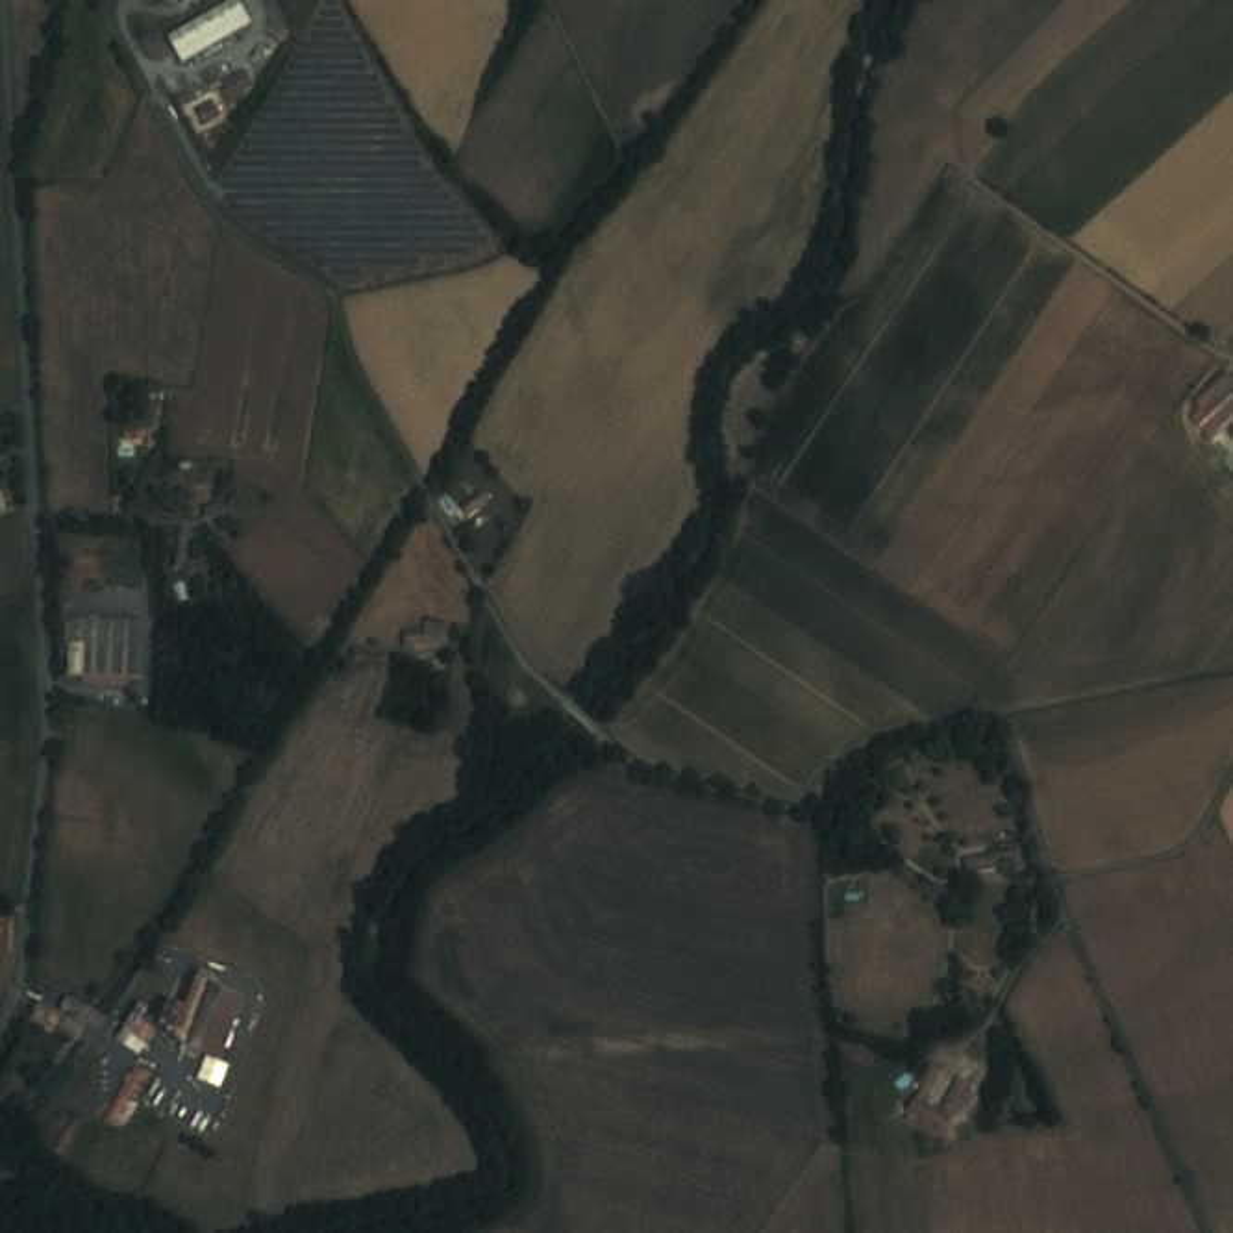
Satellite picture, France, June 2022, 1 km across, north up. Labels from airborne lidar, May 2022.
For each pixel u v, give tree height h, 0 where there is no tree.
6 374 0
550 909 0
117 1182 0
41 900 13
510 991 0
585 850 0
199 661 14
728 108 0
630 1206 0
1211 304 0
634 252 0
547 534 0
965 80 0
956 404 0
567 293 0
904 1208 0
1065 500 0
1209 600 0
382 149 0
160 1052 0
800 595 0
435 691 11
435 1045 14
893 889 0
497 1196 20
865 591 0
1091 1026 0
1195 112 0
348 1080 0
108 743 0
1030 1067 15
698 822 0
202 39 0
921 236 0
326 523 0
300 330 0
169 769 0
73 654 0
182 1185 0
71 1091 0
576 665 0
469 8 0
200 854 16
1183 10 0
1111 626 0
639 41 0
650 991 0
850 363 0
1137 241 0
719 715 0
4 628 0
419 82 0
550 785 18
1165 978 0
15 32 0
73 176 0
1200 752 0
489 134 0
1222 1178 0
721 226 0
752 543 0
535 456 0
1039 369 0
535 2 11
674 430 0
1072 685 0
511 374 0
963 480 0
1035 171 0
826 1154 0
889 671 0
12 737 0
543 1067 0
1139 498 0
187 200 0
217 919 0
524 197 0
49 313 0
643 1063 0
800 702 0
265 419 0
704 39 0
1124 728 0
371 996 18
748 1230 0
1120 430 0
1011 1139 0
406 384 0
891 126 0
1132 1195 0
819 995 14
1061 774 0
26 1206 26
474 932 0
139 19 0
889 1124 0
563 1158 0
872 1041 14
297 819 0
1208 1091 0
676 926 0
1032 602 0
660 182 0
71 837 0
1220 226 0
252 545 0
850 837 22
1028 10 0
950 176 0
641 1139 0
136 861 0
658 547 0
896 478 0
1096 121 0
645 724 0
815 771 0
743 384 0
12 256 0
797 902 0
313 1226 23
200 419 0
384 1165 0
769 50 0
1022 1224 0
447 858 19
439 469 15
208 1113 0
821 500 0
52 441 0
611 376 0
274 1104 0
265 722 21
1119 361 0
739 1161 0
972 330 0
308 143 0
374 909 27
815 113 0
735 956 0
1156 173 0
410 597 0
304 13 0
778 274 0
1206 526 0
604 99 0
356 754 0
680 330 0
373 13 0
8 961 0
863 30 17
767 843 0
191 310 0
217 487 7
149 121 0
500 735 20
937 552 0
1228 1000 0
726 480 13
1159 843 0
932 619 0
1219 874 0
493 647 0
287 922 0
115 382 12
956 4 0
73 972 0
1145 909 0
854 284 0
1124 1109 0
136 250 0
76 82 0
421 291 0
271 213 0
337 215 0
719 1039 0
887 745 17
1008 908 16
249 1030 0
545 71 0
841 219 13
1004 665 0
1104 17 0
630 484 0
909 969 0
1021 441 0
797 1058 0
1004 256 0
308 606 0
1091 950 0
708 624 0
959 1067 0
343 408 0
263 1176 0
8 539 0
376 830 0
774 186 0
